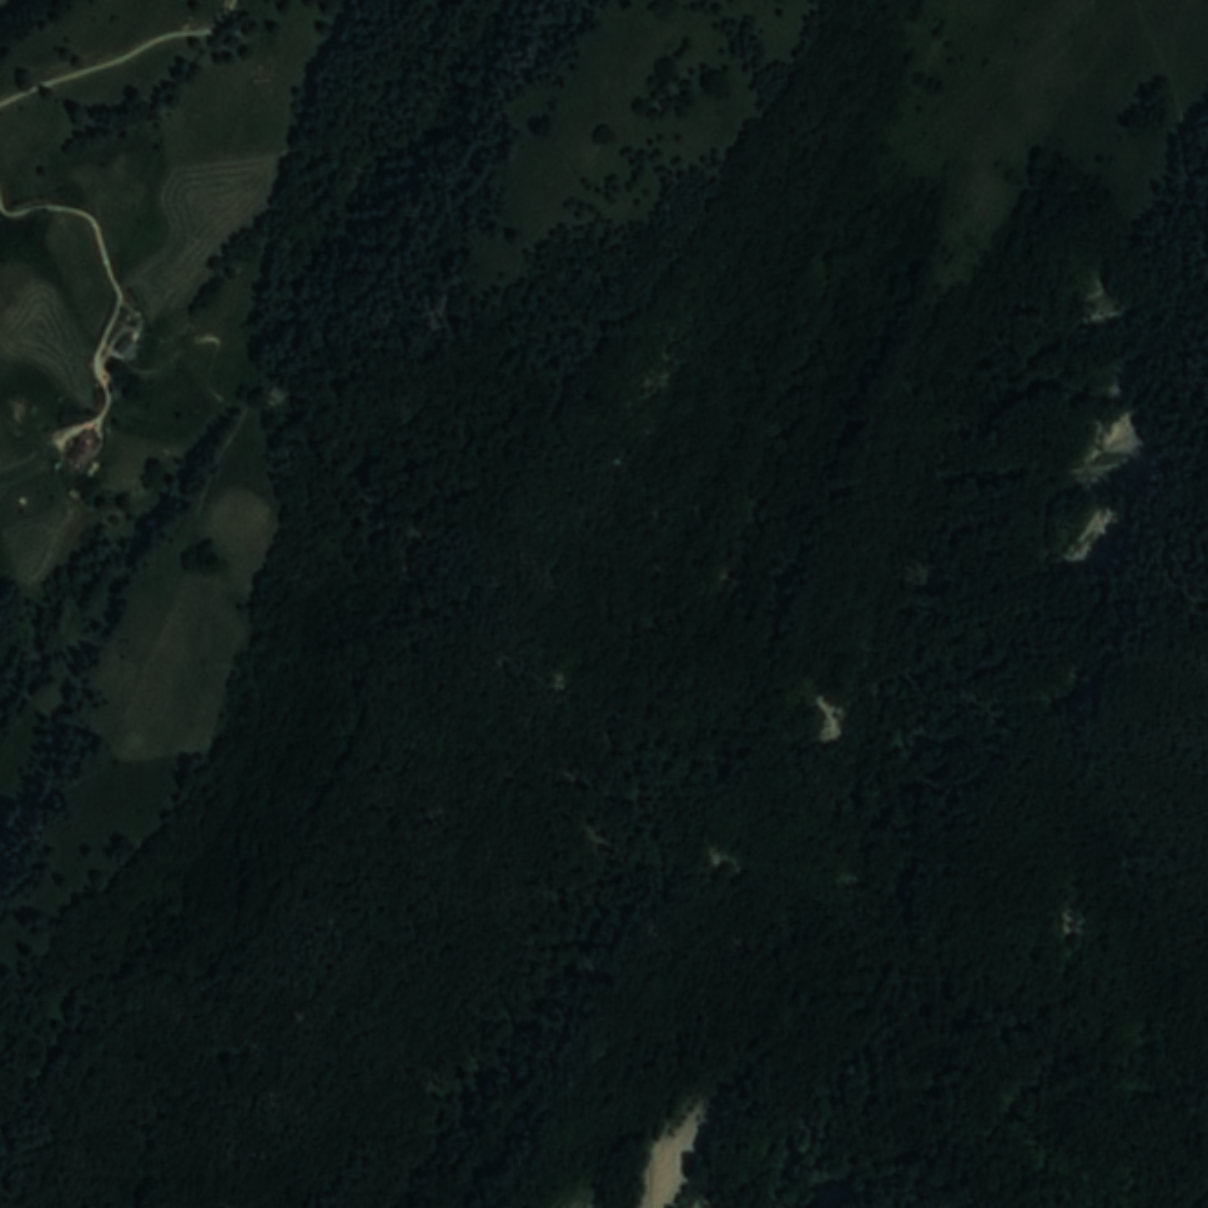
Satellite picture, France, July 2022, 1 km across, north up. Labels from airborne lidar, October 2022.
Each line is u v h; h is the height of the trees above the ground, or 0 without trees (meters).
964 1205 21
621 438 12
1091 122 0
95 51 0
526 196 0
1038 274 18
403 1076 20
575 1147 17
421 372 15
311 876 22
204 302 11
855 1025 29
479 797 26
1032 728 18
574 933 27
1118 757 21
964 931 21
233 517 0
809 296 22
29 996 22
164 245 0
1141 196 0
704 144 0
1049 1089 31
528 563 19
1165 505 13
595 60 0
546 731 18
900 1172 24
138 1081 26
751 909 22
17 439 0
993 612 29
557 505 12
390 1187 31
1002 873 22
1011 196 0
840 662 15
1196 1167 26
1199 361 28
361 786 24
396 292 27
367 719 16
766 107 9
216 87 0
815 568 22
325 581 20
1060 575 15
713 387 25
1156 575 19
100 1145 23
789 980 24
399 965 25
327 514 26
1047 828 23
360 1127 20
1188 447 18
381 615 10
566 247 10
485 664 23
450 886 18
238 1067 24
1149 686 19
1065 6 0
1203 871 19
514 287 9
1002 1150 28
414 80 21
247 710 14
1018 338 28
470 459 30
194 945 25
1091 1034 24
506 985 27
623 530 25
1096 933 11
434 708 27
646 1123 15
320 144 25
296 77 0
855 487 16
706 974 23
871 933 23
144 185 0
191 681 0
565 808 32
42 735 14
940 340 18
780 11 10
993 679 31
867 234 22
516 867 23
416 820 25
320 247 10
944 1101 31
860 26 17
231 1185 24
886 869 21
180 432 0
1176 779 24
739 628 28
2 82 0
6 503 0
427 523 27
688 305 8
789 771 20
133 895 19
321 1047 21
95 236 0
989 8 0
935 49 0
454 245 8
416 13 28
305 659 10
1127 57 0
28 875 25
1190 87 0
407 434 30
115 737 0
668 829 30
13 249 18
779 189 17
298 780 12
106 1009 17
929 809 29
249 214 0
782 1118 22
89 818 0
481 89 13
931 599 31
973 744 35
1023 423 29
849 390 18
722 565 30
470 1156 33
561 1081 16
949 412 23
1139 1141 27
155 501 0
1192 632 16
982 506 27
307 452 21
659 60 6
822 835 23
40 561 0
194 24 0
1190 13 0
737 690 21
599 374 17
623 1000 23
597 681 20
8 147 0
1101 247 20
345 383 23
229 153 0
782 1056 24
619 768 21
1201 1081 28
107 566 29
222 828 10
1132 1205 22
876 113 20
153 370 0
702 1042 28
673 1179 0
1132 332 11
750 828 19
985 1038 31
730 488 26
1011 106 0
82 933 21
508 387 25
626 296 12
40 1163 24
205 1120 30
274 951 27
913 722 24
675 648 20
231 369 0
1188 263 25
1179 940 19
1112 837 27
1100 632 29
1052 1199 29
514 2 30
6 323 0
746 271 22
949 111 0
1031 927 18
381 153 22
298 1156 23
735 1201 9
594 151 0
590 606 23
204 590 0
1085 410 17
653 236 14
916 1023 31
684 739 25
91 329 0
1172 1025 25
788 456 25
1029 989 25
